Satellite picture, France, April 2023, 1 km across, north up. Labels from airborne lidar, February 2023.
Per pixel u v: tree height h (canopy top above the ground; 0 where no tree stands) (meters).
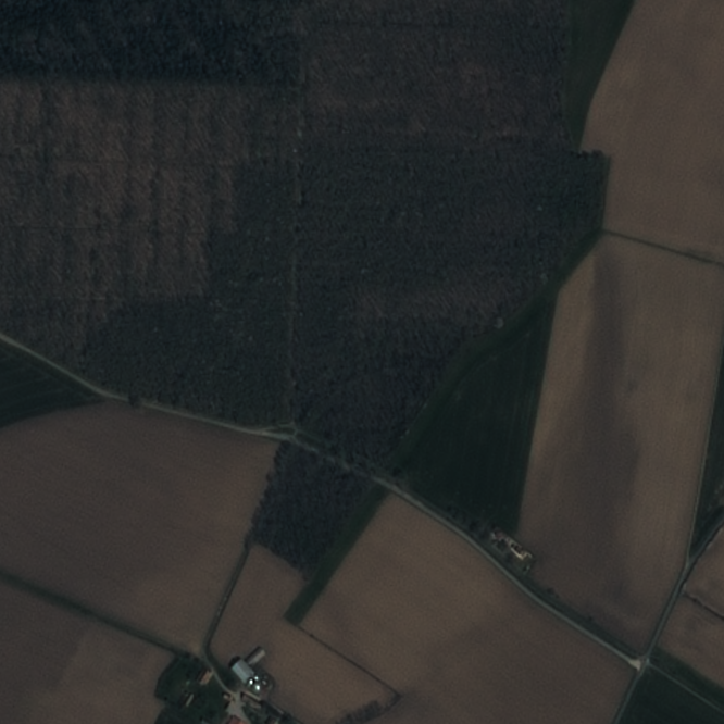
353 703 0
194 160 22
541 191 21
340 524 12
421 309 22
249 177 21
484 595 0
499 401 0
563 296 0
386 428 19
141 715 0
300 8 21
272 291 18
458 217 19
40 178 18
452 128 18
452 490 0
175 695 0
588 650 0
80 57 18
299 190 18
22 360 0
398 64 18
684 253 0
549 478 0
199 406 15
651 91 0
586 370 0
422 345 20
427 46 17
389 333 21
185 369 21
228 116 23
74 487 0
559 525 0
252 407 19
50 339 20
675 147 0
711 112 0
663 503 0
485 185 20
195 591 0
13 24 26
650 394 0
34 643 0
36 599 0
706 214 0
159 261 21
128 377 18
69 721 0
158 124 21
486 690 0
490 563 0
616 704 0
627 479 0
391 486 0
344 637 0
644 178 0
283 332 18
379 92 20
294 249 17
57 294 23
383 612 0
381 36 16
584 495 0
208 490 0
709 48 0
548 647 0
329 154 18
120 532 0
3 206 21
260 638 0
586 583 0
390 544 0
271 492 12
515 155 16
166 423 0
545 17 19
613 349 0
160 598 0
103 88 16
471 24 13
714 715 0
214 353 21
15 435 0
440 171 20
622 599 0
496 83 17
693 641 0
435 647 0
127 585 0
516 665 0
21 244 22
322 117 16
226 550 0
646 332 0
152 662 0
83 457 0
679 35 0
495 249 18
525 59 19
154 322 20
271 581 0
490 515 0
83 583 0
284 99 18
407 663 0
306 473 17
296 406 18
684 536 0
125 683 0
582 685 0
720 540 0
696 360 0
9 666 0
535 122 19
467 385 0
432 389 12
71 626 0
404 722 0
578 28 0
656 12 0
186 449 0
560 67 14
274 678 0
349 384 20
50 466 0
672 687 0
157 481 0
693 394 0
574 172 18
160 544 0
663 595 0
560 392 0
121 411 0
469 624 0
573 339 0
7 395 0
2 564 0
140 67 21
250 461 0
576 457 0
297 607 0
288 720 11
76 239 22
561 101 16
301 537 14
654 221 0
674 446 0
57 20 24
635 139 0
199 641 0
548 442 0
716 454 0
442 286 20
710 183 0
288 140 20
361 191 19
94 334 18
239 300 19
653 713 0
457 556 0
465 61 17
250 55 20
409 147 19
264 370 20
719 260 0
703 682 0
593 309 0
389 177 19
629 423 0
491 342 0
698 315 0
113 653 0
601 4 0
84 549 0
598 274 0
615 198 0
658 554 0
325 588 0
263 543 15
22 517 0
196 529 0
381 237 19
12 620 0
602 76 0
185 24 22
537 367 0
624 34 0
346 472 15
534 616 0
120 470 0
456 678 0
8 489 0
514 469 0
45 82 18
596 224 15
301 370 18
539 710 0
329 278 22
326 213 18
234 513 0
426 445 0
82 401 0
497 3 17
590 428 0
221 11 26
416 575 0
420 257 18
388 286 21
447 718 0
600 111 0
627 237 0
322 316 19
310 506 15
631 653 0
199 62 21
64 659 0
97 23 25
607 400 0
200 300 22
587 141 0
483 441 0
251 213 17
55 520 0
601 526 0
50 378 0
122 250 17
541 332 0
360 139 19
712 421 0
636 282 0
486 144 14
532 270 17
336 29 16
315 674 0
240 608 0
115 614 0
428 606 0
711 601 0
